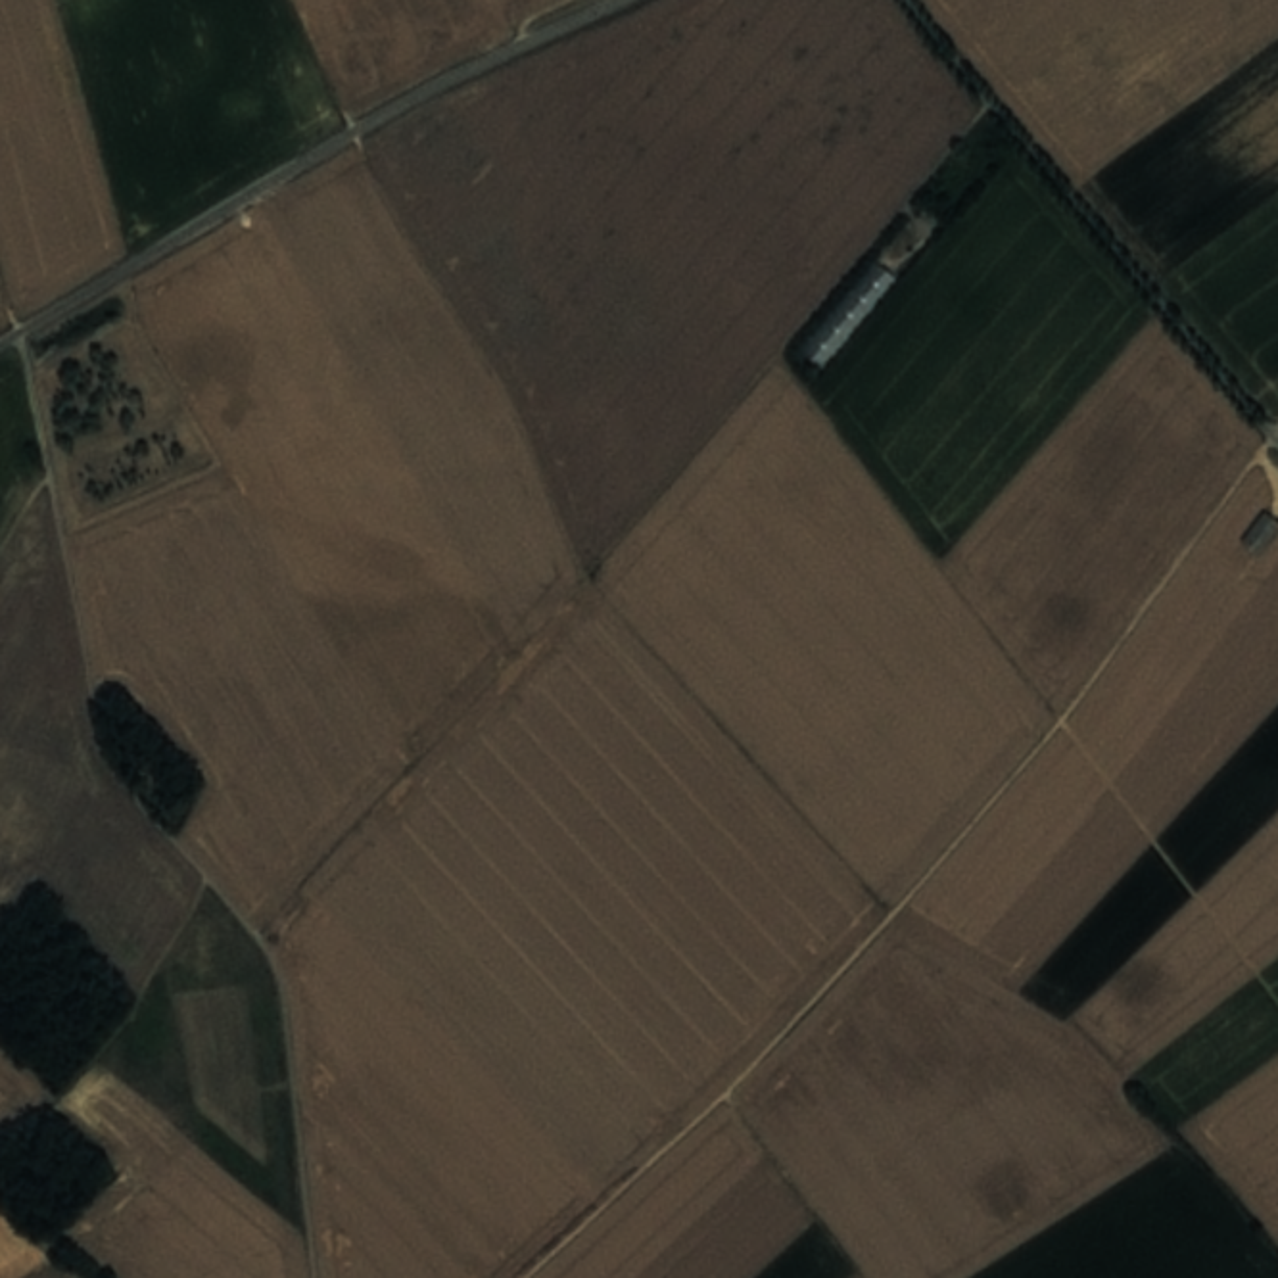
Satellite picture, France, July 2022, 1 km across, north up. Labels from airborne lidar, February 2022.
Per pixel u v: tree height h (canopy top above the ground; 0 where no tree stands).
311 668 0
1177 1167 0
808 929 0
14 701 0
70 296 0
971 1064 0
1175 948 0
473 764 0
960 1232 0
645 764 0
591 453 0
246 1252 0
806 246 0
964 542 0
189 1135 0
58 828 0
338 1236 0
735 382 0
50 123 0
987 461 0
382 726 0
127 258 0
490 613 0
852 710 0
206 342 0
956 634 0
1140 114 0
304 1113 0
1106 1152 0
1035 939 0
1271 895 0
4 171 0
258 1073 0
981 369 0
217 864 0
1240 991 0
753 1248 0
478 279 0
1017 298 0
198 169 0
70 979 22
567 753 0
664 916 0
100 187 0
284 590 0
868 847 0
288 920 0
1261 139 0
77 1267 11
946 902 0
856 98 0
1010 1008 0
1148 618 0
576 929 0
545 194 0
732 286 0
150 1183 0
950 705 0
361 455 0
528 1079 0
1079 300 0
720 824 0
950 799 0
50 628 0
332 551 0
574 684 0
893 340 0
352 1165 0
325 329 0
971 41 0
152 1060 0
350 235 0
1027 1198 0
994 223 0
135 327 0
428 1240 0
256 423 0
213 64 0
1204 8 0
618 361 0
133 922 0
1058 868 0
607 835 0
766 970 0
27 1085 0
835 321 0
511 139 0
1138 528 0
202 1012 0
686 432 0
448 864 0
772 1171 0
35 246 0
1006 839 0
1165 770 0
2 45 0
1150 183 0
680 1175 0
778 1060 0
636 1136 0
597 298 0
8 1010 21
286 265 0
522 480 0
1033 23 0
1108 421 0
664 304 0
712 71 0
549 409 0
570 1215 0
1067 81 0
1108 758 0
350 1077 0
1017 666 0
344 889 0
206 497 0
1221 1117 0
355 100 0
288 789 0
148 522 0
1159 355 0
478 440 0
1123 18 0
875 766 0
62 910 14
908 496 0
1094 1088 0
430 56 0
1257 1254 0
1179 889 0
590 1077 0
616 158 0
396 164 0
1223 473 0
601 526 0
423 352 0
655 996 0
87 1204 13
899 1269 0
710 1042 0
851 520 0
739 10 0
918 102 0
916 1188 0
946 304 0
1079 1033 0
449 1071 0
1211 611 0
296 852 0
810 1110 0
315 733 0
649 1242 0
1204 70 0
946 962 0
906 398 0
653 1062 0
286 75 0
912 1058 0
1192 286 0
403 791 0
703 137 0
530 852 0
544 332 0
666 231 0
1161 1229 0
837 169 0
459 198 0
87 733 0
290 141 0
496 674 0
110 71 0
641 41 0
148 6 0
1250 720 0
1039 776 0
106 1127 0
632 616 0
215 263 0
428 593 0
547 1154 0
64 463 0
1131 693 0
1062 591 0
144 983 0
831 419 0
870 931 0
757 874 0
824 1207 0
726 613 0
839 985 0
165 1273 0
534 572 0
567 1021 0
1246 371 0
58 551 0
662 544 0
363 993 0
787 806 0
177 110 0
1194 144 0
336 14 0
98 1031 10
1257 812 0
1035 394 0
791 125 0
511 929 0
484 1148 0
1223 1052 0
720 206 0
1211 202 0
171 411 0
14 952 18
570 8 0
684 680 0
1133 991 0
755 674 0
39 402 0
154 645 0
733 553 0
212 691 0
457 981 0
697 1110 0
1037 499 0
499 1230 0
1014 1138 0
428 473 0
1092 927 0
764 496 0
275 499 0
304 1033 0
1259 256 0
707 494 0
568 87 0
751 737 0
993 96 11
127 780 10
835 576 0
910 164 0
